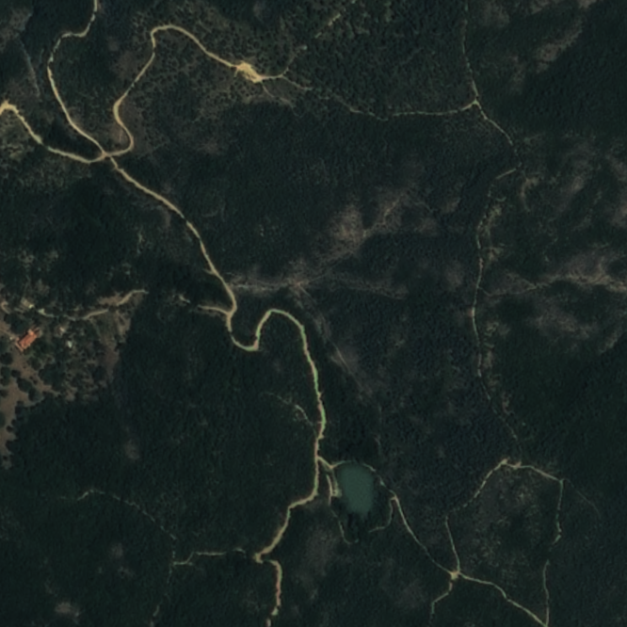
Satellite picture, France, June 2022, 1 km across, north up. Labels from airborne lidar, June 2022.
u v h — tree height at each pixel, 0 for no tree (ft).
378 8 30
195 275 31
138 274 36
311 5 32
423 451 22
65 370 69
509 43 23
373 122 19
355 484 0
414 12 44
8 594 28
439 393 33
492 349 29
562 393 62
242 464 26
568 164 20
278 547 37
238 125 19
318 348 39
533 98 34
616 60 35
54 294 32
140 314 21
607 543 25
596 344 21
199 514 21
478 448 34
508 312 37
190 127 19
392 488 34
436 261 24
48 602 18
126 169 19
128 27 22
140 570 21
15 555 22
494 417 39
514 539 23
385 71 20
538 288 19
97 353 24
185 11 26
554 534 33
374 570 23
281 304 23
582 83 36
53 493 38
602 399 35
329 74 33
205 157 24
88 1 42
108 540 21
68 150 27
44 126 23
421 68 29
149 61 0
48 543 33
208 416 39
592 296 26
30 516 22
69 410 48
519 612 28
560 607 22
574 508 24
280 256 24
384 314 34
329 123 26
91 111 28
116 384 28
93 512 27
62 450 36
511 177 32
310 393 20
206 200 23
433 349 31
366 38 34
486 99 27
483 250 20
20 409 61
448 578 22
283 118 23
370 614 25
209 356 35
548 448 46
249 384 34
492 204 32
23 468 49
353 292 20
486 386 25
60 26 25
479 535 25
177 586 46
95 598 37
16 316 37
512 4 24
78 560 27
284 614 27
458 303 25
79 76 22
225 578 57
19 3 28
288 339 27
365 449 59
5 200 39
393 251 34
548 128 18
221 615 40
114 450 27
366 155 31
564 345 28
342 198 21
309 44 31
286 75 26
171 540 27
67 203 34
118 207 31
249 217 23
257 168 22
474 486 22
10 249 25
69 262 41
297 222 19
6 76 38
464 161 26
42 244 56
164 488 23
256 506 30
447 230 36
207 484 32
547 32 29
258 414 19
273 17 24
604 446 27
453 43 21
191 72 25
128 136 0
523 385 34
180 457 25
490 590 25
